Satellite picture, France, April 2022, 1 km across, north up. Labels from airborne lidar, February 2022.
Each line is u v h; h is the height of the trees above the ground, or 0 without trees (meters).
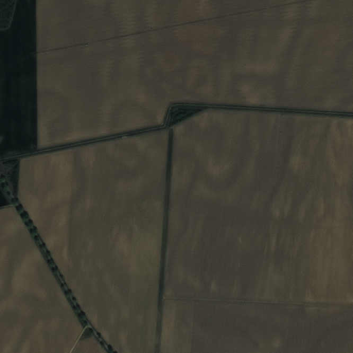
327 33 0
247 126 0
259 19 0
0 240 0
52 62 0
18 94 0
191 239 0
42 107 0
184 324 0
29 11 0
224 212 0
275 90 0
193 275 0
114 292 0
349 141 0
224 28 0
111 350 14
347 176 0
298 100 0
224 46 0
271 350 0
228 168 0
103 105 0
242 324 0
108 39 0
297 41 0
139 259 0
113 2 0
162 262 0
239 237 0
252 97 0
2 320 0
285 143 0
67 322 0
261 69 0
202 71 0
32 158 0
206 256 0
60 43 0
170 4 0
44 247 10
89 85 0
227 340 0
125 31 0
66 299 0
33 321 0
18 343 0
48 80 0
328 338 0
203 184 0
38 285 0
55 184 0
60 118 0
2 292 0
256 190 0
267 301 0
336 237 0
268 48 0
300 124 0
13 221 0
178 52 0
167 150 0
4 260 0
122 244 0
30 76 0
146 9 0
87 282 0
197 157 0
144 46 0
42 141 0
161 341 0
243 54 0
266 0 0
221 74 0
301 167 0
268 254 0
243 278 0
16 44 0
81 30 0
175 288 0
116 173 0
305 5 0
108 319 0
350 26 0
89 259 0
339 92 0
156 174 0
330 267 0
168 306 0
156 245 0
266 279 0
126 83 0
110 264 0
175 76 0
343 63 0
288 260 0
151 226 0
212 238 0
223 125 0
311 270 0
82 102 0
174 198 0
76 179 0
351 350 0
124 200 0
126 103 0
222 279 0
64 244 0
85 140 0
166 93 0
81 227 0
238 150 0
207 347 0
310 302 0
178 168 0
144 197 0
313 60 0
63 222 0
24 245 0
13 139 0
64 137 0
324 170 0
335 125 0
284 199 0
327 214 0
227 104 0
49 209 0
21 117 0
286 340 0
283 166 0
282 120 0
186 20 0
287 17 0
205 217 0
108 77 0
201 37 0
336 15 0
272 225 0
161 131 0
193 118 0
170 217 0
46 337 0
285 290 0
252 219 0
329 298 0
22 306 0
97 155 0
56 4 0
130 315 0
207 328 0
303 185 0
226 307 0
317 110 0
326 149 0
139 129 0
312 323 0
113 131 0
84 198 0
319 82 0
